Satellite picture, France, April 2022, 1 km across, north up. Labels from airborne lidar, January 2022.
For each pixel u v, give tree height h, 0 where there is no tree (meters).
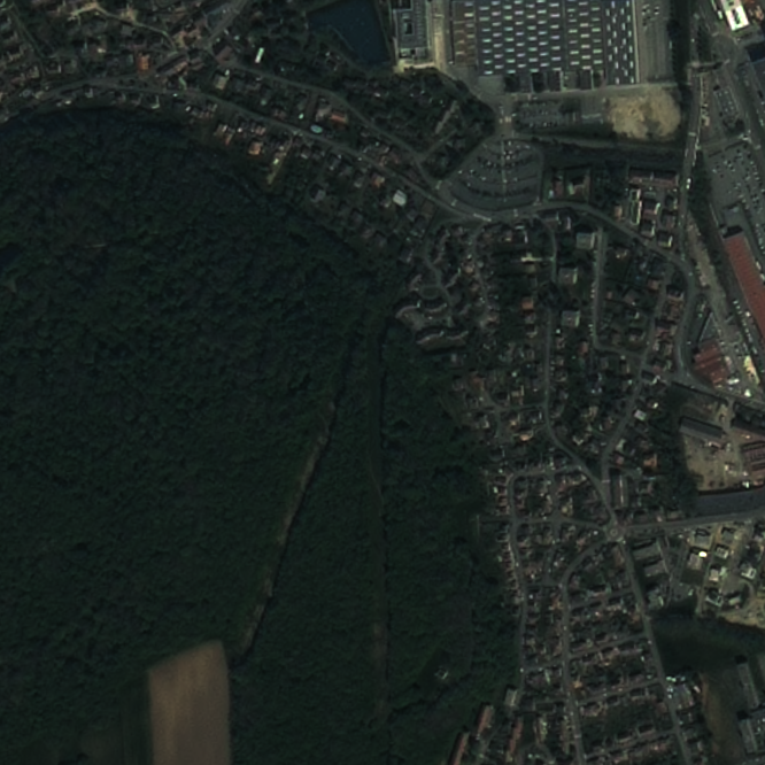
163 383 21
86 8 0
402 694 17
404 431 21
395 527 22
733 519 0
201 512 22
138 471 19
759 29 0
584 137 7
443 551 19
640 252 0
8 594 25
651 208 0
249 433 16
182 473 24
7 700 23
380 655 0
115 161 23
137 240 10
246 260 24
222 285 20
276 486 16
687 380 0
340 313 21
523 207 0
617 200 9
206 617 17
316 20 0
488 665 18
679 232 0
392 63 0
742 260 0
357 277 23
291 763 19
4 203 22
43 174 20
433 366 18
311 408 14
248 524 19
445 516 21
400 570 19
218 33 0
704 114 0
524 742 0
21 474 18
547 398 0
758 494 0
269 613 13
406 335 22
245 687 19
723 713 0
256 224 23
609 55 0
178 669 0
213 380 23
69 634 20
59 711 20
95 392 25
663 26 0
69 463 17
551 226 0
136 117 6
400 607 21
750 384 0
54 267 21
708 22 0
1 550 16
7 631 20
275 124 0
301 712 19
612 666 0
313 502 17
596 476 0
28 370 22
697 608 0
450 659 18
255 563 17
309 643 20
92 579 17
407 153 6
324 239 20
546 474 0
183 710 0
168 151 28
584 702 0
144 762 0
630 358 0
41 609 17
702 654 0
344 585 22
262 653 18
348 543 18
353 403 18
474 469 7
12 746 17
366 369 21
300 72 14
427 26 0
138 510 18
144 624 20
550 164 0
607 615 10
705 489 0
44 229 21
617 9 0
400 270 6
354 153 0
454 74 0
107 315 25
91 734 0
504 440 0
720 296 0
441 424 27
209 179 25
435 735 19
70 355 23
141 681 0
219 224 21
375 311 16
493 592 16
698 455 0
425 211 0
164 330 23
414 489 30
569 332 11
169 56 0
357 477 18
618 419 0
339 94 13
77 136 23
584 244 0
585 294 0
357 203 0
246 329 25
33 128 16
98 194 25
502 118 0
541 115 0
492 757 9
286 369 25
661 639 0
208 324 26
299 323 27
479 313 0
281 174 0
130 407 25
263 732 18
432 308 0
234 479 19
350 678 19
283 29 11
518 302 14
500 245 0
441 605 21
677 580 0
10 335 18
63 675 22
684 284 6
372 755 19
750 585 0
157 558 19
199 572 21
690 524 0
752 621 0
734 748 0
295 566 18
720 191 0
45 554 19
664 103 0
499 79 0
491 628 16
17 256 22
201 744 0
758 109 0
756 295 0
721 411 0
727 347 0
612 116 0
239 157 0
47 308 20
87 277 8
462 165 0
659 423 6
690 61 0
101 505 17
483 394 0
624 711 0
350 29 0
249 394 23
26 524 21
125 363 21
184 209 23
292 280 23
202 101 0
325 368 17
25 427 18
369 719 17
